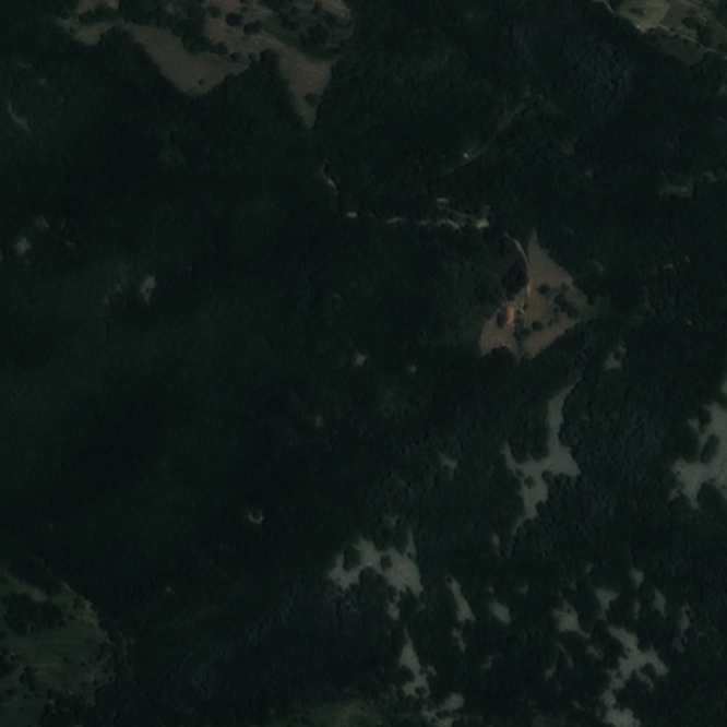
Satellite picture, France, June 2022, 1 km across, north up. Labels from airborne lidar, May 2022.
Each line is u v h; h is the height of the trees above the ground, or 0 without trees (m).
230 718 13
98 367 17
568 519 20
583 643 16
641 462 26
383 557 7
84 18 19
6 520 14
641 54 24
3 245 20
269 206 24
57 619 11
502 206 15
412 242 15
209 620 12
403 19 6
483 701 12
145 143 12
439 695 14
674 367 16
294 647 17
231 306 16
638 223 17
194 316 19
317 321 15
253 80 25
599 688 14
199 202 16
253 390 12
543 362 17
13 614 14
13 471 11
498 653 7
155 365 12
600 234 15
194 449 16
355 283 12
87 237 20
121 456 28
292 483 21
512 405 20
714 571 18
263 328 14
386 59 9
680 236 12
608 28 21
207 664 18
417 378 13
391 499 15
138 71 18
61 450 18
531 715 7
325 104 13
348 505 17
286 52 0
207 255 19
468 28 21
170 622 10
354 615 12
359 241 19
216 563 16
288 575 17
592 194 28
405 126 19
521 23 19
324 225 23
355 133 20
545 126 18
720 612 18
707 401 9
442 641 16
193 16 11
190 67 0
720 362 19
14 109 9
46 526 12
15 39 19
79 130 17
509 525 19
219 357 13
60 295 10
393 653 16
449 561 17
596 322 15
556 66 17
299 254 18
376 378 12
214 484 14
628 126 22
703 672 8
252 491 17
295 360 14
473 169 17
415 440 21
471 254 10
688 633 12
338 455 22
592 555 18
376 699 8
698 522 19
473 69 12
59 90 11
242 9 7
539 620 16
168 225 16
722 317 8
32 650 0
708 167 13
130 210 20
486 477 17
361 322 14
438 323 11
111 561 17
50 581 10
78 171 15
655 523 20
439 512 19
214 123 15
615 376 16
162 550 15
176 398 17
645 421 20
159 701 16
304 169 20
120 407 21
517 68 14
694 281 18
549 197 17
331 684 8
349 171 25
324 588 17
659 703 13
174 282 18
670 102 20
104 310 9
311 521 18
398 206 24
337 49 11
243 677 17
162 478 16
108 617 7
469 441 15
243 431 15
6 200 26
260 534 18
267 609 22
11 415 14
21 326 16
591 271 9
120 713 11
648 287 19
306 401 10
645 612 12
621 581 17
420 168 10
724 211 19
